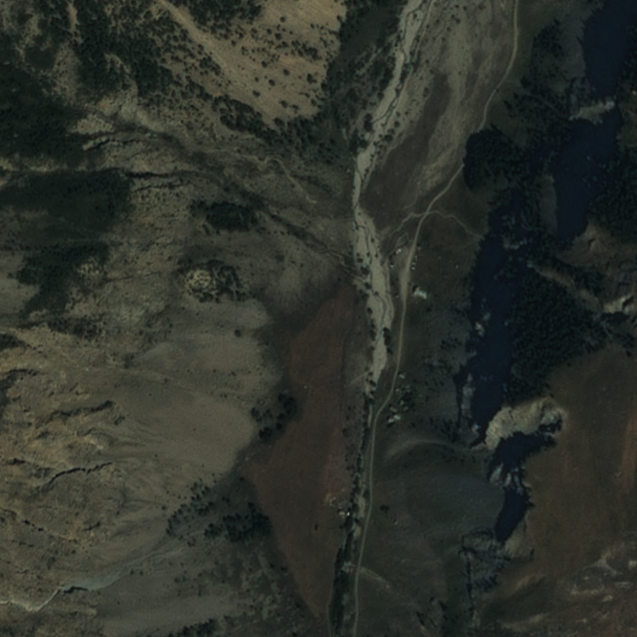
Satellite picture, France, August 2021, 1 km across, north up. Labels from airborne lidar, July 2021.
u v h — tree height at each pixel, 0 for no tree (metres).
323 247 0
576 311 7
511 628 0
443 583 0
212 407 0
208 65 9
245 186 0
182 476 0
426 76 0
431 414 0
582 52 0
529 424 0
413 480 0
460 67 0
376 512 0
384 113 0
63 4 10
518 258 7
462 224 0
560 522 0
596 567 0
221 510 0
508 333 6
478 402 0
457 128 0
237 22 0
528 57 0
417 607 0
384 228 0
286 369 0
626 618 0
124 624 0
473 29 0
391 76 6
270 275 0
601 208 10
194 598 0
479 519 0
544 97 6
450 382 0
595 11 0
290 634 0
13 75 0
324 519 0
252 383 0
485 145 24
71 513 0
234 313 0
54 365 0
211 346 0
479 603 0
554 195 0
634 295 0
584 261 0
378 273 0
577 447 0
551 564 0
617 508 0
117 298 0
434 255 0
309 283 0
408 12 0
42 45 0
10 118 9
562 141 7
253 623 0
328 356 0
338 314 0
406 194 0
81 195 6
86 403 0
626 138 0
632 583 0
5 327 0
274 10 0
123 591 0
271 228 0
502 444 0
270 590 0
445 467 0
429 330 0
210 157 0
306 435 0
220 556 0
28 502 0
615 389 0
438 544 0
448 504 0
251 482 0
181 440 0
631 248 0
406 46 0
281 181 0
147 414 0
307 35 0
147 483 0
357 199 0
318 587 0
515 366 10
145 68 17
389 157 0
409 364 0
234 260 0
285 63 0
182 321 0
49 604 0
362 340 0
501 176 20
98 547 0
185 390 0
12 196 0
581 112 0
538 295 11
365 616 0
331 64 8
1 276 0
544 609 0
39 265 6
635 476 0
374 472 0
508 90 0
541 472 0
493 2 0
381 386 0
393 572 0
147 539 0
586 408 0
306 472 0
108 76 8
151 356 0
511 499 0
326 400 0
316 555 0
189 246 0
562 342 11
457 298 0
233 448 0
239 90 0
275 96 0
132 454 0
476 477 0
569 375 0
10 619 0
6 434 0
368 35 0
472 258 0
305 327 0
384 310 0
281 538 0
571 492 0
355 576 0
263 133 8
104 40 14
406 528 0
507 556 0
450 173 0
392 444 0
